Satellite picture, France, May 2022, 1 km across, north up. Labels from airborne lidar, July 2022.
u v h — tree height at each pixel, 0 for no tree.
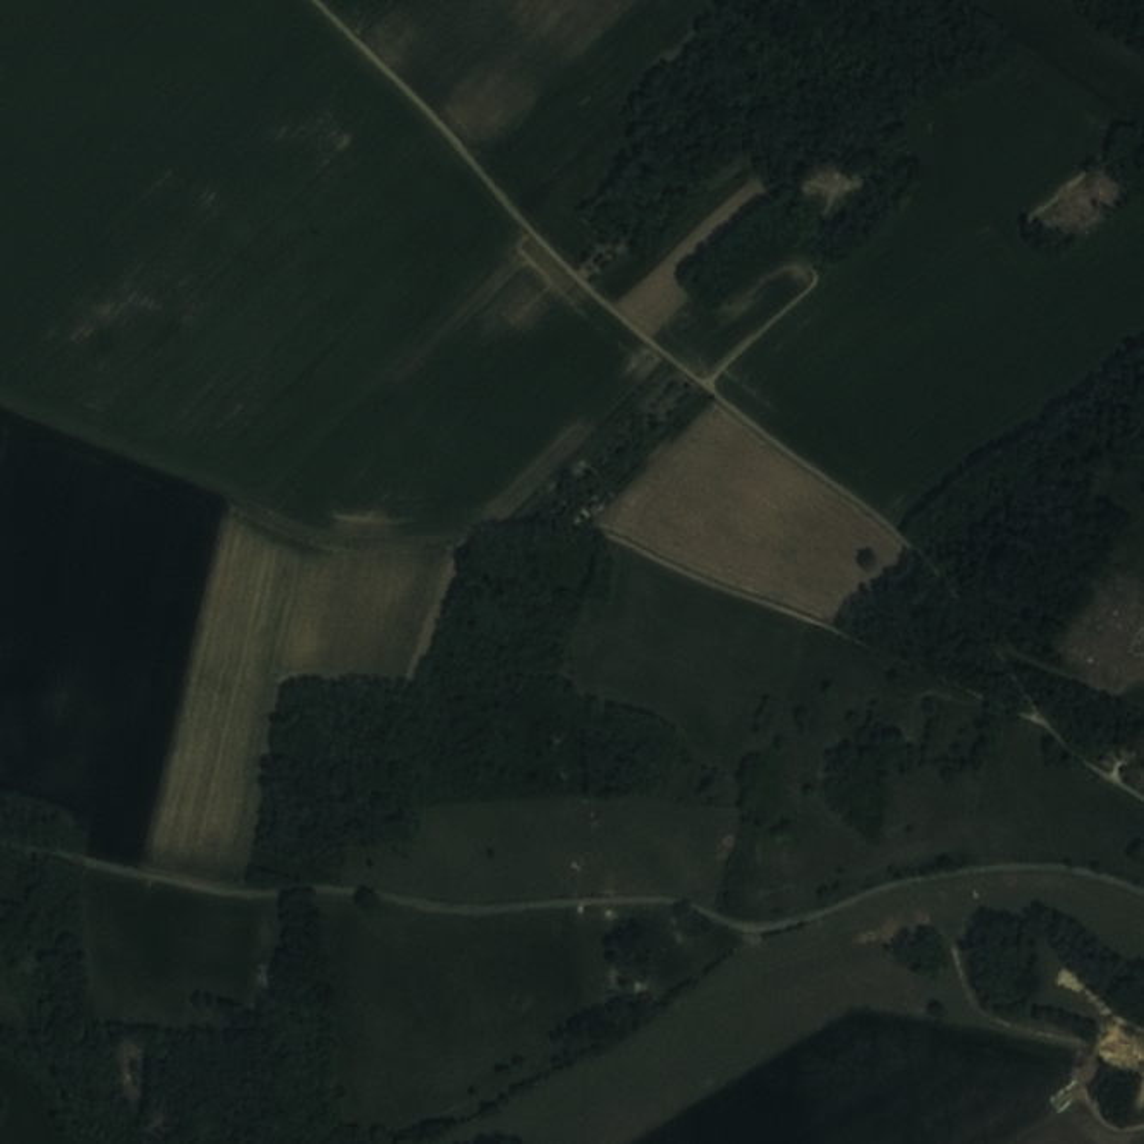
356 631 0
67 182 0
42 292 0
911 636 23
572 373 0
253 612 0
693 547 0
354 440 0
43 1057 18
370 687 20
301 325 0
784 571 0
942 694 0
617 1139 0
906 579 16
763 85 10
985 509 19
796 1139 0
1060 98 0
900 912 0
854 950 0
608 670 0
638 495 0
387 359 0
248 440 0
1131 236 0
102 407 0
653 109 18
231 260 0
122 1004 0
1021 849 0
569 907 0
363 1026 0
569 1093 0
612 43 0
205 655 0
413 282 0
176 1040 16
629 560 0
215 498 0
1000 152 0
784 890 0
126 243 0
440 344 0
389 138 0
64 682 0
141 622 0
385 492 0
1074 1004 0
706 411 0
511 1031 0
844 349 0
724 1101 0
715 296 15
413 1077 0
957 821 0
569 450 0
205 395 0
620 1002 14
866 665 0
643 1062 0
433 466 0
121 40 0
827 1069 0
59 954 15
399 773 22
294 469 0
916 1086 0
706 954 0
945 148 0
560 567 0
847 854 0
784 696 0
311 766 19
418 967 0
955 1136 0
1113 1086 11
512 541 21
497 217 0
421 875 0
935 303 0
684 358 0
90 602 0
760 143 14
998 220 0
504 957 0
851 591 0
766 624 0
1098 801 0
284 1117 17
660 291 0
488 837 0
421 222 0
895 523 0
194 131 0
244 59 0
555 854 0
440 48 0
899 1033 0
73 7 0
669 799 0
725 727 0
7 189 0
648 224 23
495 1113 10
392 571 0
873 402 0
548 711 7
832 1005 0
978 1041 0
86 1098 14
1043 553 28
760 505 0
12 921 13
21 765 0
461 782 14
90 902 0
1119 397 25
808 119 18
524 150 0
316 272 0
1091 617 0
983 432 0
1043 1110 0
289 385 0
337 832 19
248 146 0
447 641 7
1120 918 0
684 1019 0
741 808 11
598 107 0
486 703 7
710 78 12
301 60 0
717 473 0
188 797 0
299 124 0
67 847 10
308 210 0
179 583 0
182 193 0
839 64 10
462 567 16
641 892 0
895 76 15
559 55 0
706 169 21
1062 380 0
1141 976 21
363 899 16
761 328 0
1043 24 0
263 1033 19
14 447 0
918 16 18
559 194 0
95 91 0
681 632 0
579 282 0
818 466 0
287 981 15
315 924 15
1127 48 12
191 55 0
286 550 0
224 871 0
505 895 0
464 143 0
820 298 0
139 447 0
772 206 19
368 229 0
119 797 0
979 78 18
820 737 0
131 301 0
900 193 15
